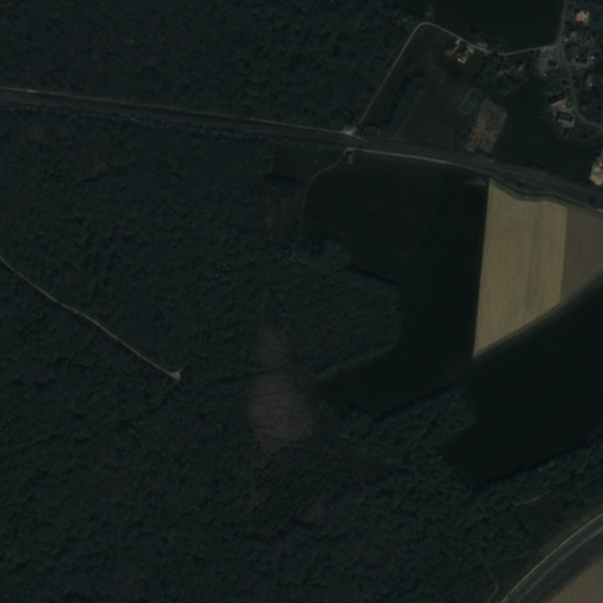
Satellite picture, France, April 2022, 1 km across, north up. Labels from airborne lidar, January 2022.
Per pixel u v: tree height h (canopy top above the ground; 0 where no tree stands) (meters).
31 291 27
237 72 27
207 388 18
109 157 24
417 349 0
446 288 0
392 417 19
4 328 24
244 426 23
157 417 24
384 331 17
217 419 24
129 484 24
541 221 0
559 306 0
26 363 24
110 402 25
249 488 16
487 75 9
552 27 0
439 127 0
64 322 23
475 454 0
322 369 18
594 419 0
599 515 0
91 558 26
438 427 21
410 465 18
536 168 13
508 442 0
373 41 19
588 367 0
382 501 16
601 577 0
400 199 0
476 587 27
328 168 0
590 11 7
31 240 21
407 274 0
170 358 25
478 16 0
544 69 0
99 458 24
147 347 22
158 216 21
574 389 0
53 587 22
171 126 10
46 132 28
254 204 23
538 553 0
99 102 0
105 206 22
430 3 0
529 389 0
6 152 24
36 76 26
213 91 26
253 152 24
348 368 11
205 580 21
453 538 20
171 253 23
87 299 21
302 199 0
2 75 21
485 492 22
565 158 0
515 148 0
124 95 27
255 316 21
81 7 27
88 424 24
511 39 0
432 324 0
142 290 21
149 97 23
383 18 20
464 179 0
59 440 22
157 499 24
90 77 26
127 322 24
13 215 23
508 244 0
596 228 0
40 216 25
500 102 0
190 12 23
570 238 0
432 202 0
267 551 18
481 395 0
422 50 0
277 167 0
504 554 19
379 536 23
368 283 16
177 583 24
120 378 23
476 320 0
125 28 22
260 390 0
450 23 0
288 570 25
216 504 22
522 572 0
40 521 28
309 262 18
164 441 21
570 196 0
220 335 24
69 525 18
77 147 25
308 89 25
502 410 0
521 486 23
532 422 0
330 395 0
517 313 0
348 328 18
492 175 0
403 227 0
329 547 24
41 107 10
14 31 23
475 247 0
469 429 0
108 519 22
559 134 0
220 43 20
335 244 22
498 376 0
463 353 0
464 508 23
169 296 22
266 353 0
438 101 0
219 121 0
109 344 28
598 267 0
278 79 25
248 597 24
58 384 24
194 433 23
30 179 23
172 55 24
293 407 0
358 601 16
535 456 0
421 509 23
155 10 28
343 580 25
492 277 0
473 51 0
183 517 24
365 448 23
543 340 0
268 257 11
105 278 23
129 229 22
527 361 0
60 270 24
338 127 16
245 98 22
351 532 22
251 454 27
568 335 0
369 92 28
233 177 23
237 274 25
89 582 28
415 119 0
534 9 0
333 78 25
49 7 23
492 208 0
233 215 27
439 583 24
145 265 23
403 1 0
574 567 0
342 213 0
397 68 0
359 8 23
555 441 0
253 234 23
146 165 24
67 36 26
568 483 20
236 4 28
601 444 18
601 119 7
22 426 21
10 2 17
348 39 30
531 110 0
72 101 0
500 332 0
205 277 22
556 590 0
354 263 0
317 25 25
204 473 23
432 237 0
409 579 22
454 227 0
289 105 24
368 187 0
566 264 0
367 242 0
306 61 26
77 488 22
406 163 0
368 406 0
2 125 21
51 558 21
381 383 0
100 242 26
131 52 27
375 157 0
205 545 19
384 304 19
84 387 25
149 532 24
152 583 20
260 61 30
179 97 22
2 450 22
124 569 26
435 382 0
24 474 24
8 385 22
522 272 0
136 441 26
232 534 17
